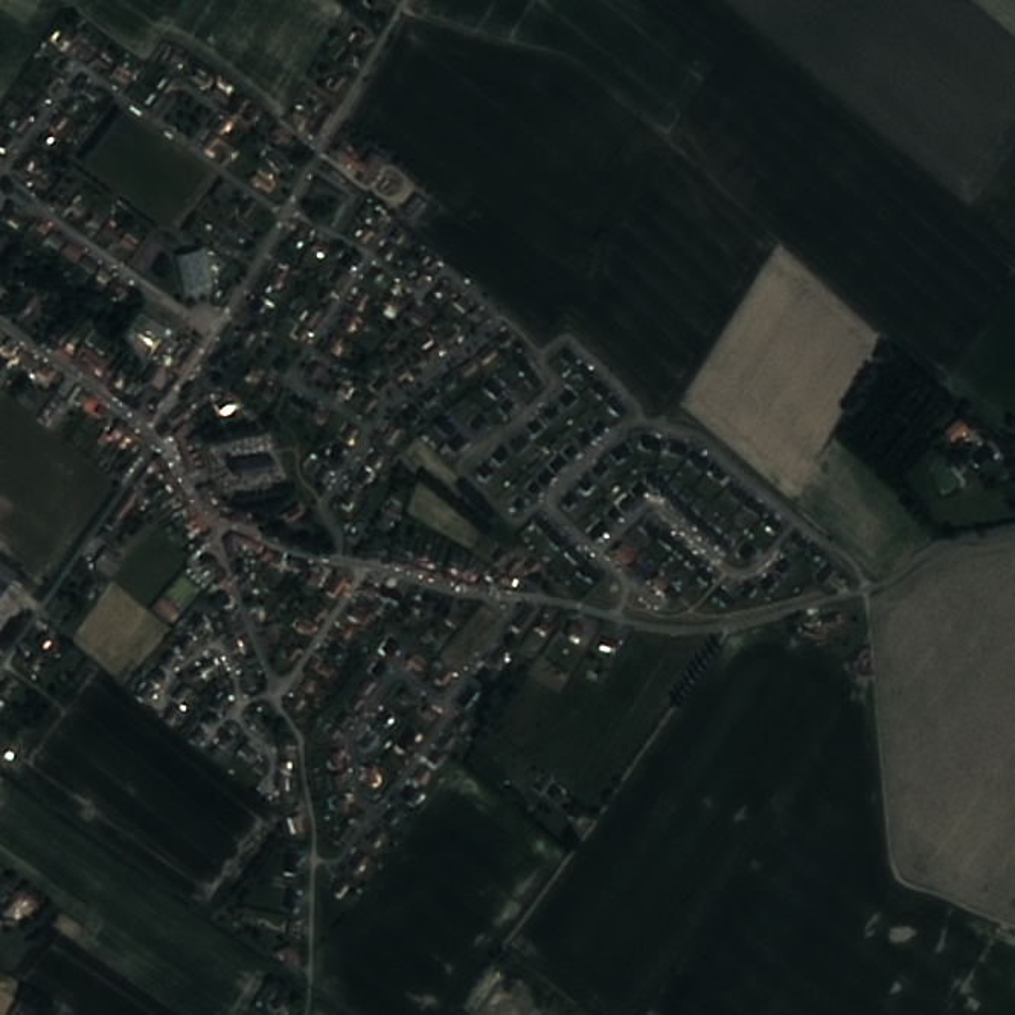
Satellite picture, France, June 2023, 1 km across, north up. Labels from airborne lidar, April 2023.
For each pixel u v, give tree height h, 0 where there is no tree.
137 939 0
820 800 0
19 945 0
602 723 0
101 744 0
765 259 0
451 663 0
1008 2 0
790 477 0
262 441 0
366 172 0
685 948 0
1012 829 0
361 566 0
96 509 0
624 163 0
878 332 0
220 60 0
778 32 0
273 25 0
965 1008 0
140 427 0
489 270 0
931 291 0
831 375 0
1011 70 0
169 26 0
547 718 0
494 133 0
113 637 0
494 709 18
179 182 0
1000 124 0
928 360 0
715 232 0
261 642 0
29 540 0
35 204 0
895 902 0
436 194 0
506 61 0
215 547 0
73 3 0
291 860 0
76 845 0
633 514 0
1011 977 0
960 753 0
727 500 0
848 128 0
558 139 0
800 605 0
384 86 0
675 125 0
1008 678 0
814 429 0
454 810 0
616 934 0
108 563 0
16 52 0
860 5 0
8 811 0
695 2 0
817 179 0
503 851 0
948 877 0
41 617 0
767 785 0
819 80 0
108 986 0
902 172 0
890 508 0
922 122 0
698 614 0
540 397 0
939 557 0
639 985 0
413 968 0
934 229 0
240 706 0
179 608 0
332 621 0
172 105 0
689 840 0
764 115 0
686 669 0
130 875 0
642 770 0
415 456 0
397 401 0
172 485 0
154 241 0
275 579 0
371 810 0
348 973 0
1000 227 0
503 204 0
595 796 0
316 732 0
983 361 0
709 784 0
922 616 0
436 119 0
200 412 13
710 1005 0
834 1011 0
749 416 0
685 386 0
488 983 0
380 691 0
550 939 0
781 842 0
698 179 0
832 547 0
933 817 0
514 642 13
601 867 0
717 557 0
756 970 0
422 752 0
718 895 0
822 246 0
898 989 0
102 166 0
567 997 0
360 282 0
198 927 0
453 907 0
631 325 0
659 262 0
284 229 0
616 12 0
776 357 0
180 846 0
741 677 0
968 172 0
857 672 0
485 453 0
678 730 0
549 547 0
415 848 0
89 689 0
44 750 0
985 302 0
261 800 9
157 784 0
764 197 0
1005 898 0
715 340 0
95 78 0
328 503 0
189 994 0
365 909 0
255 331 7
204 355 0
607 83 0
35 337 8
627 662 0
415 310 0
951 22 0
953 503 0
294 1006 12
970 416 10
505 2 0
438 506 0
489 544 0
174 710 0
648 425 0
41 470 0
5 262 12
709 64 0
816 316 0
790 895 0
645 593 0
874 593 0
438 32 0
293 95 0
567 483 0
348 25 0
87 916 0
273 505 14
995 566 0
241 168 0
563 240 0
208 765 0
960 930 0
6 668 0
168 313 0
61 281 9
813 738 0
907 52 0
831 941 0
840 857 0
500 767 0
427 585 0
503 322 0
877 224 0
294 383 0
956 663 0
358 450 0
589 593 0
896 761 0
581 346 0
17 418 0
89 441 0
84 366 0
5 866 0
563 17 0
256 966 0
